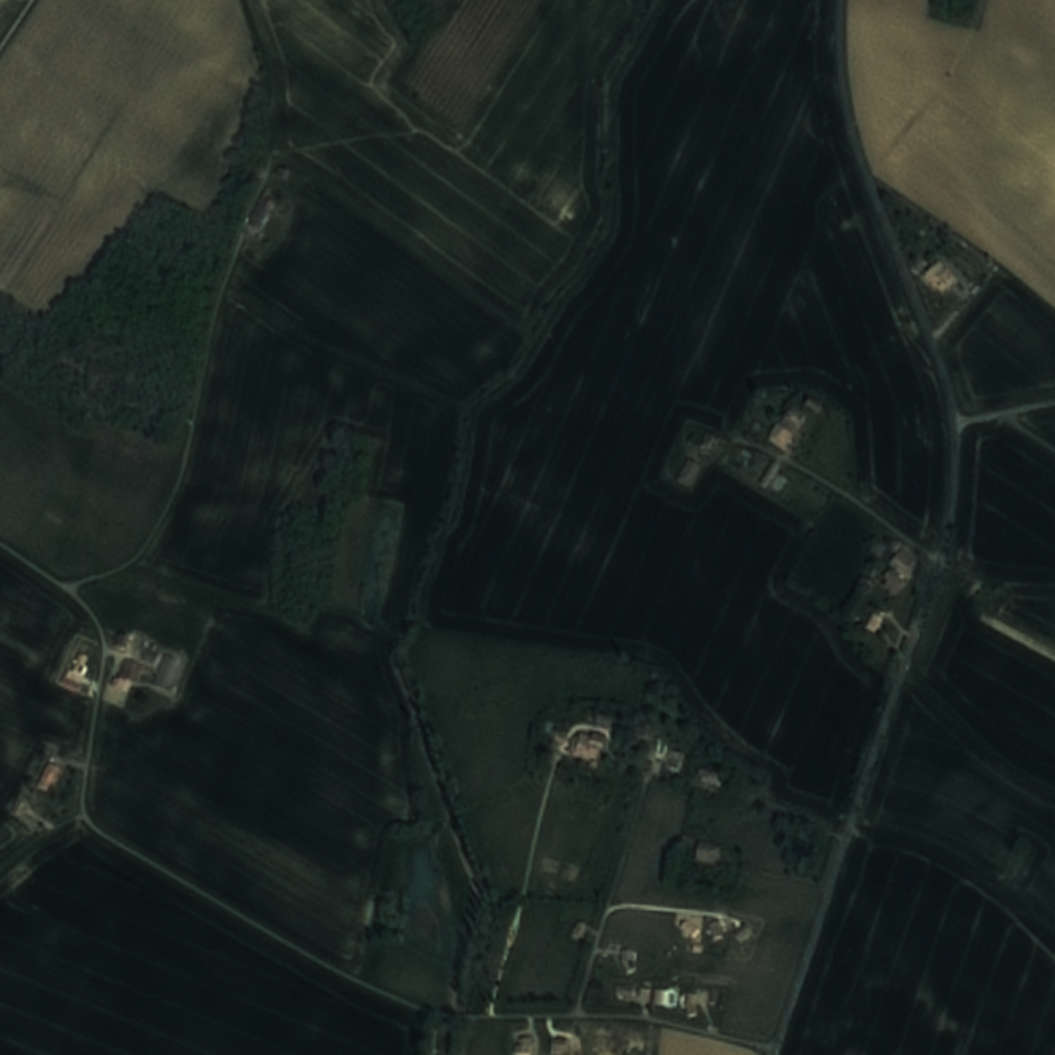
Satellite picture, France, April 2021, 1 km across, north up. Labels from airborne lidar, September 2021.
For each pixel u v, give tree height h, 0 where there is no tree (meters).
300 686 0
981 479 0
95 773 0
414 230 0
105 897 0
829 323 0
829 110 0
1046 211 0
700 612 0
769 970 0
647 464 0
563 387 0
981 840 0
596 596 0
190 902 0
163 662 0
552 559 0
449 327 0
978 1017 0
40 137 0
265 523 0
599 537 0
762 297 0
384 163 0
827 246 0
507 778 0
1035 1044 0
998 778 0
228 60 0
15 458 0
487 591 0
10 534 0
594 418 0
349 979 0
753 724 0
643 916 0
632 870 0
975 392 0
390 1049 0
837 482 0
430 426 0
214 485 0
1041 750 0
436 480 0
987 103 0
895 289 0
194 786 0
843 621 12
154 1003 0
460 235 0
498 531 0
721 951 0
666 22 0
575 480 0
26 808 0
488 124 0
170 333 22
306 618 8
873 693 0
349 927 0
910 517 0
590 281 0
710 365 0
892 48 0
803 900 0
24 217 0
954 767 0
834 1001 0
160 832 0
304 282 0
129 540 0
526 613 0
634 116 0
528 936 0
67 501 0
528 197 0
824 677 0
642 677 6
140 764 0
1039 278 0
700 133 0
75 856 0
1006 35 0
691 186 0
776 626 0
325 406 0
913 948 0
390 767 0
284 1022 0
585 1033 0
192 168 0
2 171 0
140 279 21
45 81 0
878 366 0
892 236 0
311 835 0
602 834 0
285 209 12
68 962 0
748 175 0
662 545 0
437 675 0
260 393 0
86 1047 0
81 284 14
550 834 0
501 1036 0
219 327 0
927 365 0
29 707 0
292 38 0
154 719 0
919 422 0
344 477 17
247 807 0
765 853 0
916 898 0
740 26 0
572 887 0
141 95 0
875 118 0
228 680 0
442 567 0
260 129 20
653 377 0
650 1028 0
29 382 13
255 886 0
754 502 0
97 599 0
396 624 0
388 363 0
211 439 0
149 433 10
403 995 0
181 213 21
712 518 0
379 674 0
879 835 0
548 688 0
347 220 0
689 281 0
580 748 0
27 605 0
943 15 16
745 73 0
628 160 0
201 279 26
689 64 0
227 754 0
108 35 0
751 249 0
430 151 0
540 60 0
